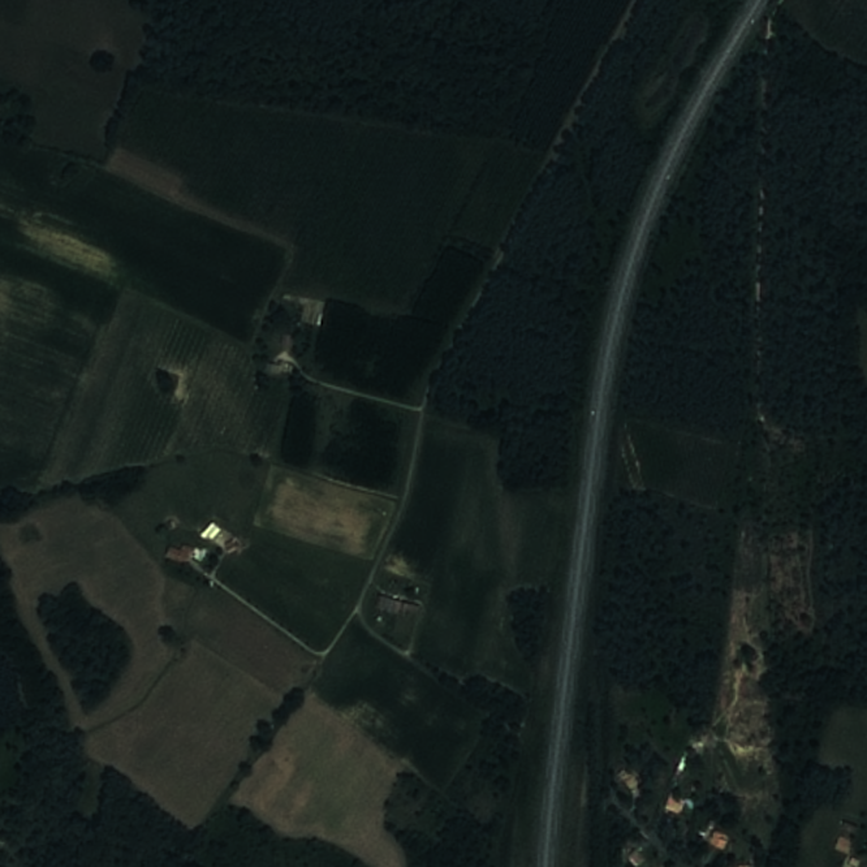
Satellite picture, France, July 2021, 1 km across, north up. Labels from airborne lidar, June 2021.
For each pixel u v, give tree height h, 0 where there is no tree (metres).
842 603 18
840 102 25
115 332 0
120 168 0
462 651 0
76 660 19
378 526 0
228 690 0
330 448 7
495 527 0
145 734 0
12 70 0
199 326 0
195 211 0
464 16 19
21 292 0
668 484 0
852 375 23
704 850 14
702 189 7
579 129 14
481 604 0
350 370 8
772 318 18
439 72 23
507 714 13
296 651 0
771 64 25
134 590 0
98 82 0
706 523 11
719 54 0
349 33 17
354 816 0
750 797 0
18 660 6
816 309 20
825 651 9
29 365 0
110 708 0
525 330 20
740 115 19
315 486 0
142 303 0
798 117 26
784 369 23
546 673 0
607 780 6
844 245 24
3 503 17
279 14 20
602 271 6
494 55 17
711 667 20
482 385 20
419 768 0
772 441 12
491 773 19
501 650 0
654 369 14
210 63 21
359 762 0
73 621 14
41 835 19
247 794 0
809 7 0
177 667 0
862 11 0
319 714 0
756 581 0
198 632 0
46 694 10
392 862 0
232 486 0
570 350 20
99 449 0
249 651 0
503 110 22
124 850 13
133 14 0
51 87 0
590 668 0
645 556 13
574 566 0
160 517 0
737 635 0
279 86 6
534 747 0
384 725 0
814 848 0
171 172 0
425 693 0
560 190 23
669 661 13
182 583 0
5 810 14
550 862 0
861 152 25
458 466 0
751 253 24
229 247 0
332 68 15
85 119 0
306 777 0
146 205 0
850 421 22
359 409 7
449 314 11
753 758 0
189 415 0
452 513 0
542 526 0
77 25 0
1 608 13
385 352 7
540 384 19
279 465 0
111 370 0
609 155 20
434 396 8
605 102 23
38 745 15
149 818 15
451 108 24
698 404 16
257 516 0
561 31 15
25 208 0
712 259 6
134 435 0
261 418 0
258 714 0
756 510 9
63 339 0
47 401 0
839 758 0
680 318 17
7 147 0
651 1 22
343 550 0
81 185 0
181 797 0
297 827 0
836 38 0
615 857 14
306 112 8
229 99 13
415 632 0
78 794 25
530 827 0
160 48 28
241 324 0
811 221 27
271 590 0
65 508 0
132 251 0
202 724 0
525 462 17
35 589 0
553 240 19
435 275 10
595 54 14
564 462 18
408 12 16
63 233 0
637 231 0
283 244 0
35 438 0
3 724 7
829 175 23
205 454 0
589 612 0
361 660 0
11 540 0
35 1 0
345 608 0
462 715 0
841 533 21
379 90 8
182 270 0
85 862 16
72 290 0
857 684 10
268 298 0
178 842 19
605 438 0
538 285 20
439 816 6
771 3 6
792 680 11
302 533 0
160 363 0
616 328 0
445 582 0
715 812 14
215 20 24
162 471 0
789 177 26
